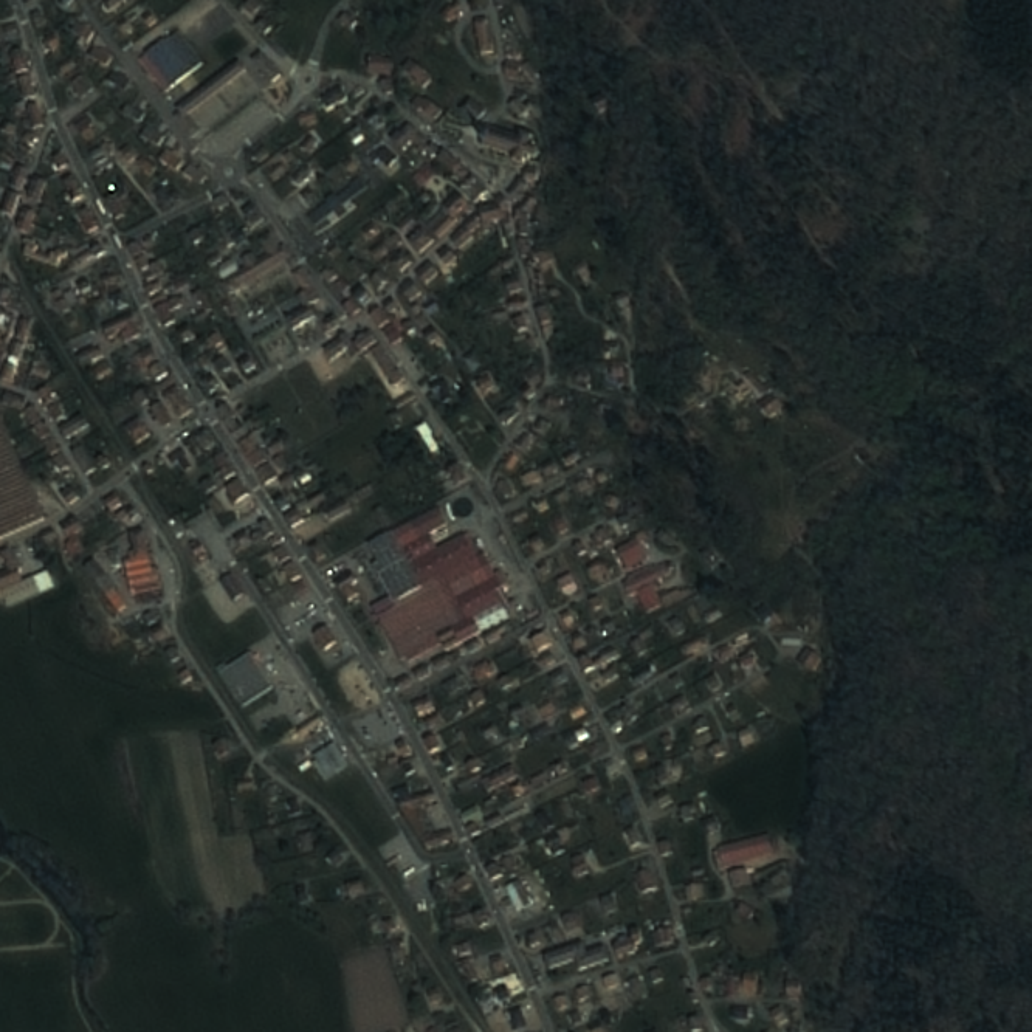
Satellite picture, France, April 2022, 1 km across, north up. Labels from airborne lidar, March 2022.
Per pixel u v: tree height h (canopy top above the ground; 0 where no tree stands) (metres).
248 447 0
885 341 18
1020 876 14
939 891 26
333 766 0
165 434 0
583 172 7
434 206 7
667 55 21
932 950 18
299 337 0
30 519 0
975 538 25
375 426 0
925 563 26
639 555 0
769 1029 0
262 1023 0
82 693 0
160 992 0
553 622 0
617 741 0
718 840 0
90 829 0
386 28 23
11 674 0
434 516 0
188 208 0
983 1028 23
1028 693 15
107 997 0
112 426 0
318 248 0
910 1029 15
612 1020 16
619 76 33
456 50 0
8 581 0
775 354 14
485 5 0
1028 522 21
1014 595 22
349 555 0
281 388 0
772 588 16
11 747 0
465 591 0
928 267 14
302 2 0
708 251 21
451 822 0
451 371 9
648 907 0
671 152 22
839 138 18
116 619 0
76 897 20
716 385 0
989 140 9
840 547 12
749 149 0
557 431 0
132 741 0
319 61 0
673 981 0
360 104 0
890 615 23
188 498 0
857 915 17
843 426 14
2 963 0
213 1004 0
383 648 0
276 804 0
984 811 22
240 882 0
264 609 0
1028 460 16
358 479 0
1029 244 22
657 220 15
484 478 0
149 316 0
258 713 0
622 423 23
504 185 0
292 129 0
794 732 0
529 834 12
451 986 0
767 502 0
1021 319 17
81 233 0
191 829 0
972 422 18
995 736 10
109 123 0
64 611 0
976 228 14
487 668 0
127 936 0
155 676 0
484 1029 0
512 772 0
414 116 0
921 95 21
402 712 0
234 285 0
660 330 0
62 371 7
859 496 11
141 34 0
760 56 22
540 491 0
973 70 20
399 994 0
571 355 10
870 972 13
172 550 0
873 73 12
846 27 17
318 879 0
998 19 23
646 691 0
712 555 0
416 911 0
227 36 0
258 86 0
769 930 0
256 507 0
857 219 16
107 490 0
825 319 17
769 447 0
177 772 0
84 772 0
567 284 0
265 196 0
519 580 0
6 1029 0
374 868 0
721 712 0
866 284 17
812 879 20
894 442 15
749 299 18
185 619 0
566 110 17
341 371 0
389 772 0
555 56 16
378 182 0
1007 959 18
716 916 6
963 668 20
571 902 0
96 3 0
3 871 0
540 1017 0
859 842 25
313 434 0
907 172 15
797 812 0
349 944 0
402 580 0
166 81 0
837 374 17
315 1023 0
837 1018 12
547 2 20
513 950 0
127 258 0
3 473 0
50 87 0
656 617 0
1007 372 12
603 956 0
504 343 0
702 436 0
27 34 0
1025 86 14
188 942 0
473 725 0
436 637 0
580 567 0
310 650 0
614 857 0
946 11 18
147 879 0
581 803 0
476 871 0
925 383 15
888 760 11
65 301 0
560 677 0
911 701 26
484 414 0
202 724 0
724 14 26
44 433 0
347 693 0
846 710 24
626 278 0
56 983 0
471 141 0
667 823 0
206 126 0
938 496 12
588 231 0
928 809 24
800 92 0
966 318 20
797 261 21
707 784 0
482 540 0
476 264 0
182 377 0
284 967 0
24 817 0
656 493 24
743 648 0
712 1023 0
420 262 0
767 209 24
